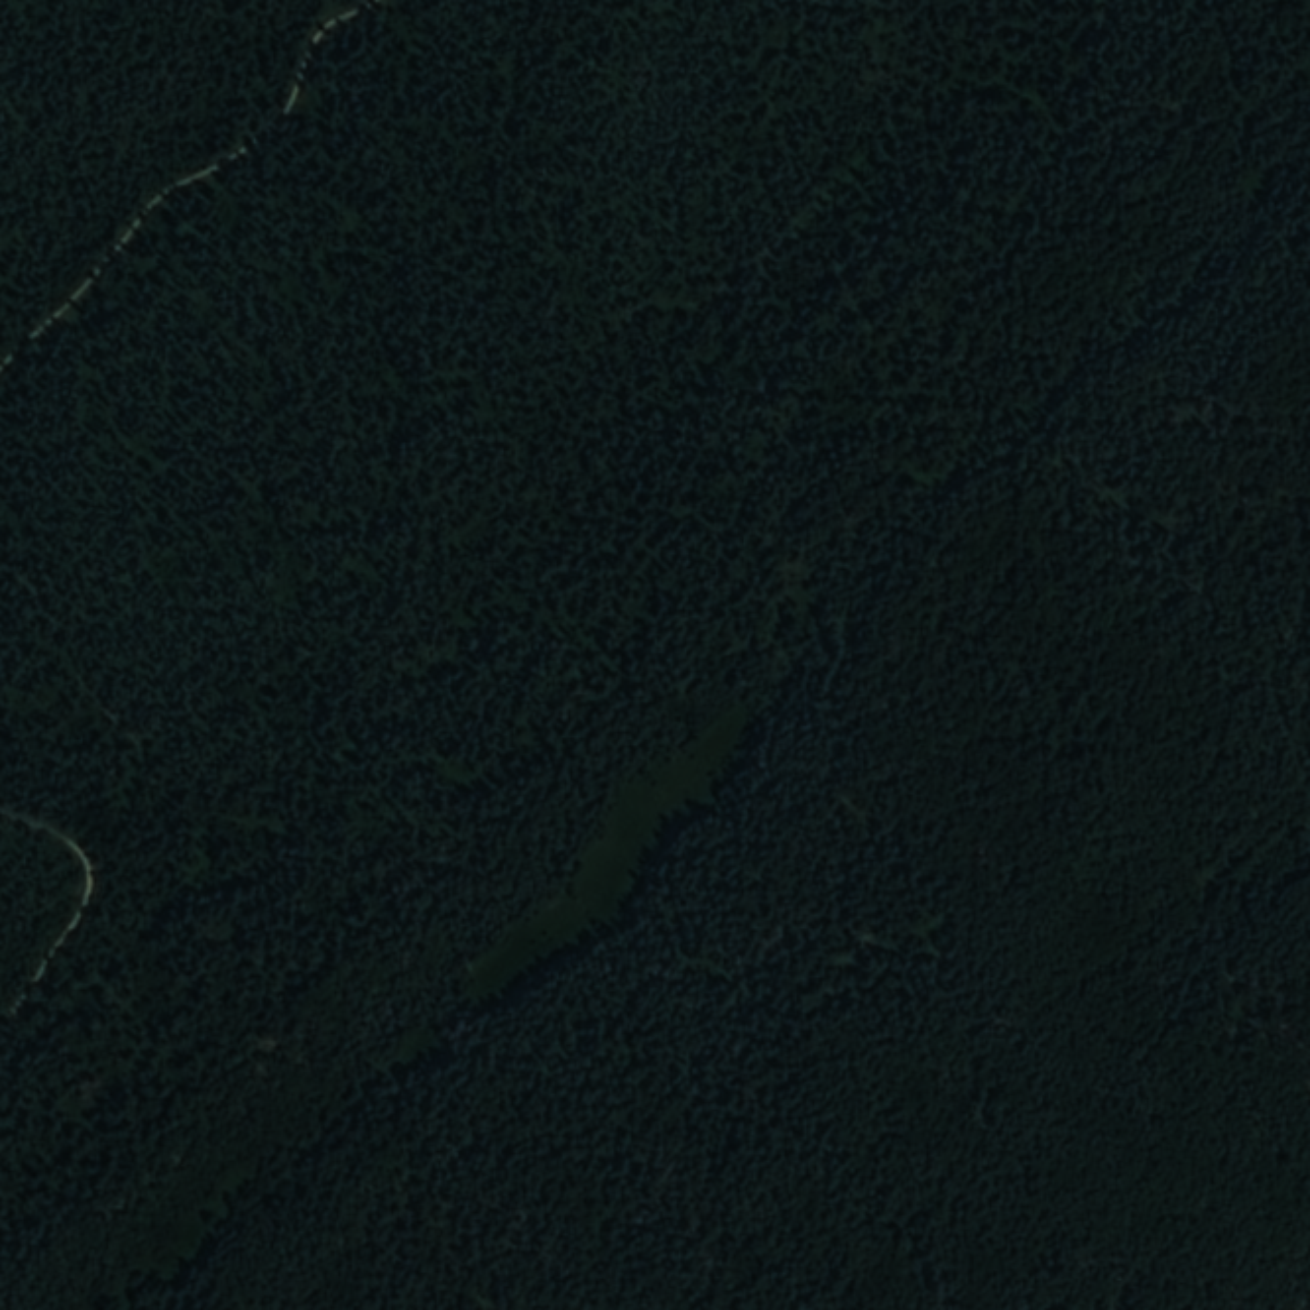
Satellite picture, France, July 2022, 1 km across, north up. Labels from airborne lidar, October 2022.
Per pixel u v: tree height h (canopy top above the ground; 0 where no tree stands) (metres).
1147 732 14
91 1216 25
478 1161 28
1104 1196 18
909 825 21
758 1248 25
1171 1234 18
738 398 21
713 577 20
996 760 26
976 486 24
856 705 20
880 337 9
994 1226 27
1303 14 21
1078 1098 23
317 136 6
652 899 24
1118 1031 20
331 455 28
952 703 21
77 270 11
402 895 27
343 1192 12
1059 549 21
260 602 19
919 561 18
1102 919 21
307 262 15
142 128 23
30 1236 24
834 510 13
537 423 9
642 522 29
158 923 7
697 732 17
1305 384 23
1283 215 26
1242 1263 19
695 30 20
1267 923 22
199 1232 0
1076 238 19
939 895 33
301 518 10
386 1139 17
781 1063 21
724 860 19
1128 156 33
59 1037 10
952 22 28
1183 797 16
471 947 24
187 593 8
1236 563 25
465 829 28
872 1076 20
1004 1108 22
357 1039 26
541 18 19
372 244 8
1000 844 20
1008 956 26
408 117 23
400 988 19
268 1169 20
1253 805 20
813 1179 25
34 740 7
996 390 15
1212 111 23
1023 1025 18
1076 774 25
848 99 12
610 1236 31
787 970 22
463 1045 27
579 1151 21
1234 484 25
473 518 19
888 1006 28
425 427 9
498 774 11
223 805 14
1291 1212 18
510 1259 25
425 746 32
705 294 9
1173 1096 20
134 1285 16
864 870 24
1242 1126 22
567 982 29
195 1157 15
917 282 24
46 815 19
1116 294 26
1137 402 17
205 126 10
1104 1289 27
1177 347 32
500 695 15
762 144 8
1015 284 21
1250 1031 16
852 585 20
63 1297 24
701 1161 22
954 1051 29
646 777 13
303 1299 24
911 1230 17
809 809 27
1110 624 17
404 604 30
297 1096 12
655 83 18
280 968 23
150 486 27
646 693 20
